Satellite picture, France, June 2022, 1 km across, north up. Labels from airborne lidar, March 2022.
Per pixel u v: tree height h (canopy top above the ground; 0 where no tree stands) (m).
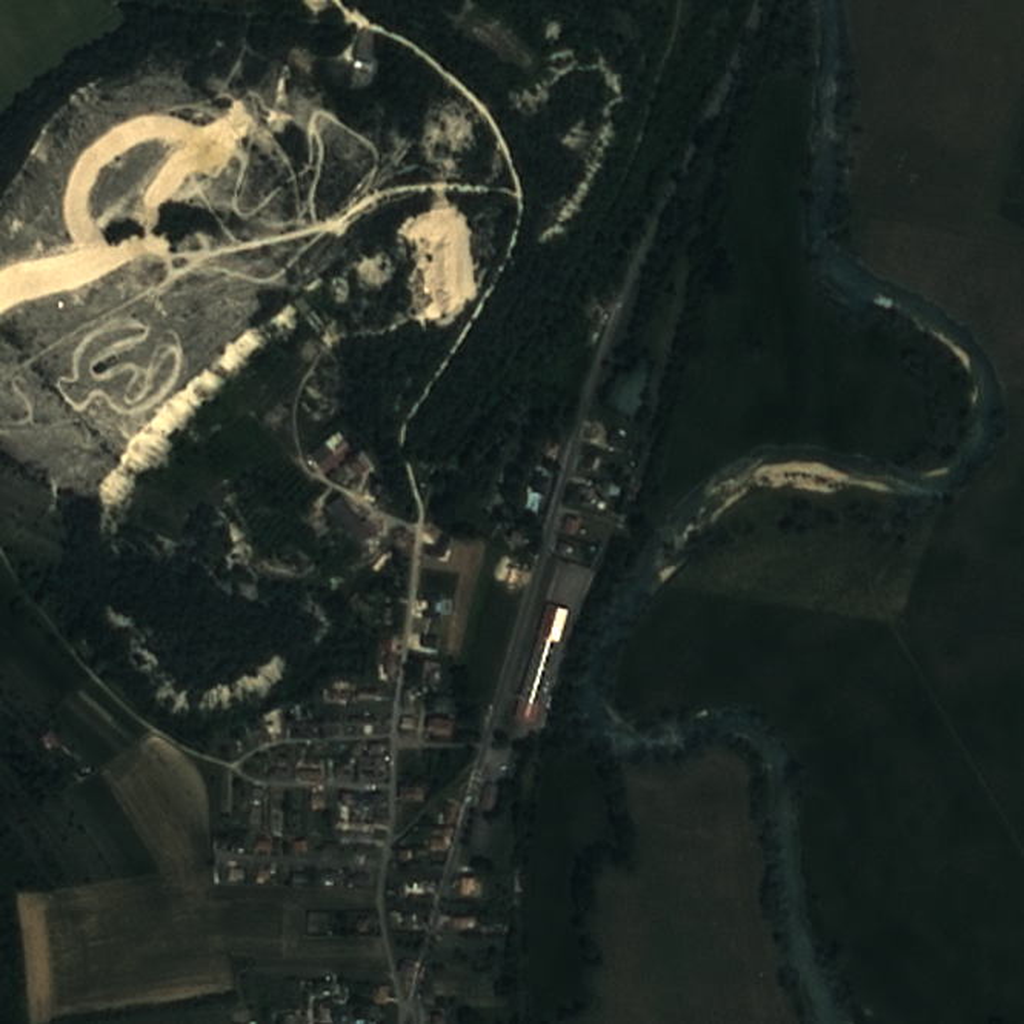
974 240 0
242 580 8
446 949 0
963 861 0
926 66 0
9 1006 10
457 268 0
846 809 0
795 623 0
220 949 0
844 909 0
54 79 10
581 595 0
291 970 0
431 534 0
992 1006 0
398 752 0
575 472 0
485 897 0
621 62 10
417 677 8
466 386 11
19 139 9
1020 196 0
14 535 0
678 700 0
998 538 0
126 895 0
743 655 0
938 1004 0
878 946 0
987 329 0
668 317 0
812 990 0
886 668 0
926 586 0
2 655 0
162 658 11
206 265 0
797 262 0
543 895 0
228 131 0
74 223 0
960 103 0
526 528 10
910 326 6
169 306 0
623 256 25
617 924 0
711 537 13
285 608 10
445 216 0
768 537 0
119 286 0
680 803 0
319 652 8
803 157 0
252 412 0
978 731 0
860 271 0
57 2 0
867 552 0
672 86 6
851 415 0
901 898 0
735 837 0
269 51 6
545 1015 0
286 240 0
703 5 6
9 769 0
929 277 0
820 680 0
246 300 0
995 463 0
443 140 0
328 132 0
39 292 0
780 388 0
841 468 0
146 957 0
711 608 0
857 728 0
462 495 13
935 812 0
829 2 0
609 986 0
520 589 0
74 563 11
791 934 0
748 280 0
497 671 0
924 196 0
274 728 0
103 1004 0
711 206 12
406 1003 0
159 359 0
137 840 0
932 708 0
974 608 0
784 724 0
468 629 0
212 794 0
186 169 0
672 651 0
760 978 0
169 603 15
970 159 0
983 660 0
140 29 12
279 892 0
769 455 0
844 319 9
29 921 0
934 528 0
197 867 0
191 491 0
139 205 0
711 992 0
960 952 0
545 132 10
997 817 0
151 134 0
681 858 0
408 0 7
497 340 14
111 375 0
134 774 0
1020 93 0
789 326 0
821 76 11
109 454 0
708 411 0
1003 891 0
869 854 0
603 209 8
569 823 0
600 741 0
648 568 0
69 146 0
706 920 0
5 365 0
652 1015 0
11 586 0
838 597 0
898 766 0
